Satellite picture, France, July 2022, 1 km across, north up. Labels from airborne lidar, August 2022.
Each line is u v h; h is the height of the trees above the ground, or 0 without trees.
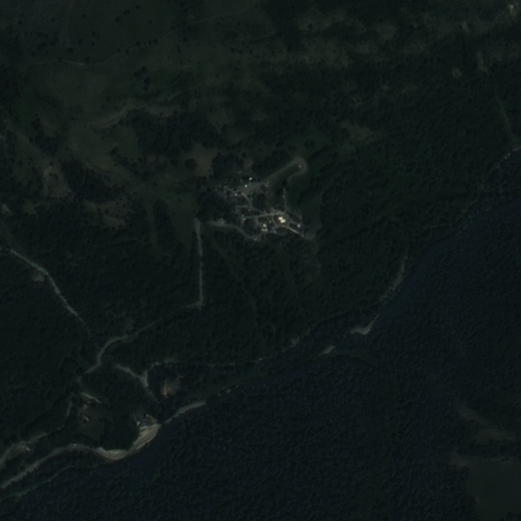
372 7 7
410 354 15
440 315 11
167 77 0
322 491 16
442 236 18
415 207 8
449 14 6
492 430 0
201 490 8
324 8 10
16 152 8
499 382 12
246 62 0
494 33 10
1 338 25
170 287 15
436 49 15
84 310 9
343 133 12
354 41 5
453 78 9
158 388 16
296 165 0
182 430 21
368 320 6
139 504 25
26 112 0
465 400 12
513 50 6
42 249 17
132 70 0
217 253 9
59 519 22
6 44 6
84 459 19
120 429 14
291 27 6
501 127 17
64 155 0
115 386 13
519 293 27
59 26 0
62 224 11
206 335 26
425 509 19
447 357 15
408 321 29
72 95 0
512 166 19
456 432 13
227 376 8
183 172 0
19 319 26
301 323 25
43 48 18
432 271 12
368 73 6
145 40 0
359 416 20
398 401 26
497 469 0
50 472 15
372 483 14
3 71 7
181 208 0
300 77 9
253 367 21
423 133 9
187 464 14
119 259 17
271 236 10
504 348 19
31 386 6
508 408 18
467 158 22
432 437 15
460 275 13
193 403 0
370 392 25
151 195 0
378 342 20
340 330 24
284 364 19
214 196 8
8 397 8
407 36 10
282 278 10
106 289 13
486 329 26
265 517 27
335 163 7
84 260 7
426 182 18
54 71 0
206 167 0
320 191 16
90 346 19
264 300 6
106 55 0
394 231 36
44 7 0
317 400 25
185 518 32
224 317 23
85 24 0
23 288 20
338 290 22
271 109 8
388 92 9
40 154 0
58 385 21
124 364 26
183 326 24
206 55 0
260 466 14
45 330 26
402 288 9
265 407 29
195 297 13
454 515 21
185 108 6
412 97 16
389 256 25
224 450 21
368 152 7
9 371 21
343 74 7
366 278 9
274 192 0
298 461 14
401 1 10
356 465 16
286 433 23
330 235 27
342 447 18
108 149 0
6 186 11
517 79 14
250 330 15
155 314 19
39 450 20
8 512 10
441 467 18
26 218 18
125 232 13
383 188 19
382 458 18
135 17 0
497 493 0
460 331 6
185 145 21
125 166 15
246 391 28
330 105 10
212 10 0
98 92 0
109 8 0
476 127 21
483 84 7
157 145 22
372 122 14
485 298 34
